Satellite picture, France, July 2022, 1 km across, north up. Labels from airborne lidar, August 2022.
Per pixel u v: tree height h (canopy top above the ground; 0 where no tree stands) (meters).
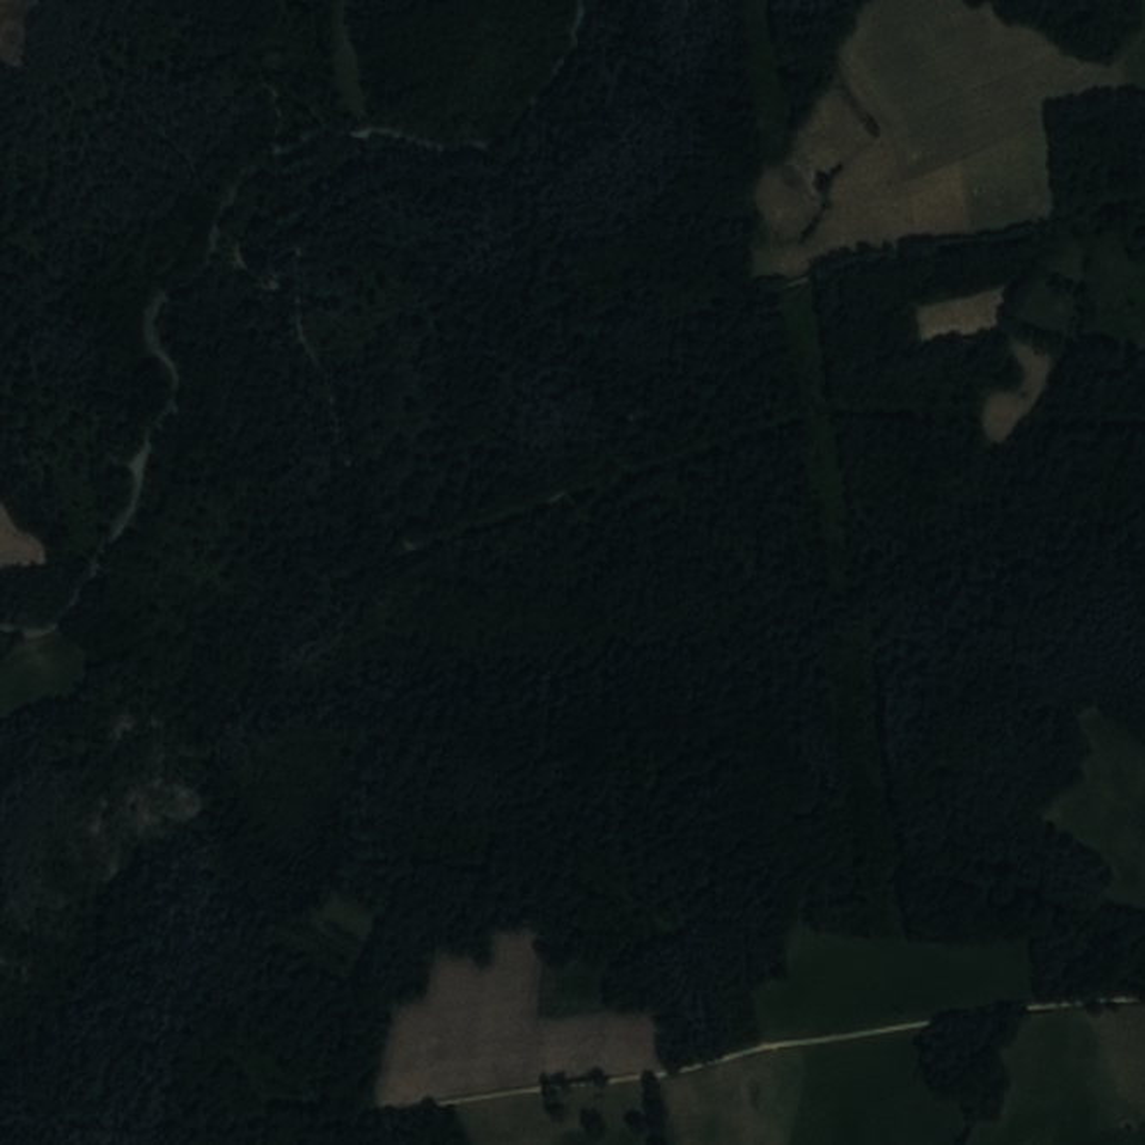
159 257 12
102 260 9
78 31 14
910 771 23
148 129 16
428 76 12
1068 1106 0
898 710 27
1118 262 0
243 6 15
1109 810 0
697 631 19
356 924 0
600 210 20
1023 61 0
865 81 0
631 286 18
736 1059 0
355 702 15
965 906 26
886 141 0
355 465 10
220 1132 16
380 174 20
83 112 10
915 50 0
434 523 13
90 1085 15
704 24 21
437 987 0
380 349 11
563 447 17
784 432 13
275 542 7
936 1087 21
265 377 18
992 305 0
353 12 8
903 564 17
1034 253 14
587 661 21
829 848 28
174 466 8
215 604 8
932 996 0
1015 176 0
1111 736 0
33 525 15
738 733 25
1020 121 0
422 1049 0
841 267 17
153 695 14
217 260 13
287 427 9
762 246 0
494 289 20
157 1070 19
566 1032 0
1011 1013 19
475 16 14
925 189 0
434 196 19
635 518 22
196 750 25
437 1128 21
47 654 0
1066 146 23
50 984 18
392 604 6
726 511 12
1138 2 11
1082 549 31
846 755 8
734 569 24
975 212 0
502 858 19
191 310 20
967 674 19
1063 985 15
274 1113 18
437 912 20
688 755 18
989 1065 25
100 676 16
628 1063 0
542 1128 0
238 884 6
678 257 26
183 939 24
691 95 26
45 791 20
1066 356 18
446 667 26
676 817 27
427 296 12
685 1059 15
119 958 17
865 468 18
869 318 16
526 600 15
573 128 7
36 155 13
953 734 20
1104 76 0
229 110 15
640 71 6
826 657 8
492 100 14
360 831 14
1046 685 21
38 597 14
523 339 15
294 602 11
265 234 13
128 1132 22
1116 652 23
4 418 14
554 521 19
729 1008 8
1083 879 24
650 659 25
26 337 17
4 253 16
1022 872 21
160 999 16
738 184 19
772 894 16
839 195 0
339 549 16
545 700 26
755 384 18
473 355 17
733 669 11
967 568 18
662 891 16
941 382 23
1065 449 12
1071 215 14
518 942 0
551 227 6
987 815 17
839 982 0
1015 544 16
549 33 17
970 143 0
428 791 21
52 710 19
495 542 16
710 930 20
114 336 10
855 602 22
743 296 13
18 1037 19
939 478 25
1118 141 18
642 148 23
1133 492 16
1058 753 13
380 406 8
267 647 13
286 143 19
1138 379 23
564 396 15
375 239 7
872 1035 0
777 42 17
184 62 8
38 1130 13
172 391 10
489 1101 0
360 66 6
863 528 18
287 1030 22
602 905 17
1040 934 18
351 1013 21
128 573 8
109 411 10
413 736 22
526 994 0
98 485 13
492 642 13
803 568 16
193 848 8
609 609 23
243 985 14
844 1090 0
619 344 27
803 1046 0
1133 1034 0
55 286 18
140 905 16
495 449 9
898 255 11
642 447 11
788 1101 0
